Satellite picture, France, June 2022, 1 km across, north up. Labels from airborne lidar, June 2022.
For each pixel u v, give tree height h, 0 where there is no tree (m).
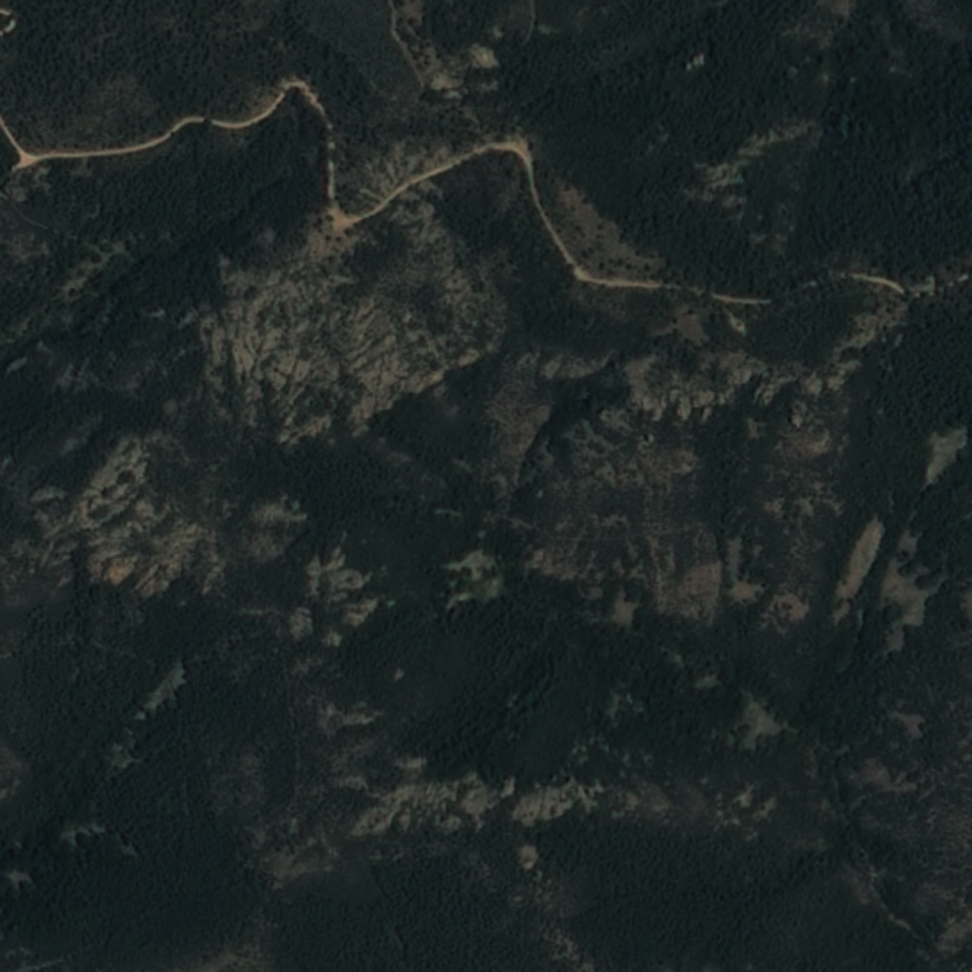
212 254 16
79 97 9
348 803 9
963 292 9
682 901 15
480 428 7
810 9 12
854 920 7
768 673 10
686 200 14
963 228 16
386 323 0
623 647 11
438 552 6
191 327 11
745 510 7
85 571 12
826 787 8
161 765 13
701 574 0
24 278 9
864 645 11
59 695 13
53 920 11
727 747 7
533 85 14
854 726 10
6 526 7
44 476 8
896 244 15
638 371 0
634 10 12
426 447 10
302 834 8
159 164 10
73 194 11
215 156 7
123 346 12
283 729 9
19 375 11
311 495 14
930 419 5
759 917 15
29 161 0
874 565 8
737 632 7
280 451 10
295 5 9
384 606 8
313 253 0
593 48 11
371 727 10
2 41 10
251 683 9
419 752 11
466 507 13
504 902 11
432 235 0
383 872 13
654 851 13
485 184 13
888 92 10
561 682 13
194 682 14
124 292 15
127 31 9
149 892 12
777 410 8
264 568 7
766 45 16
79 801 8
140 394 8
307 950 15
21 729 12
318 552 10
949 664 7
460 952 12
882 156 18
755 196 17
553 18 6
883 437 12
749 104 21
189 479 6
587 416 7
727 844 12
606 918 13
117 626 10
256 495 9
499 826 11
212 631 12
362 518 8
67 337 12
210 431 7
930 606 8
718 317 12
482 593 0
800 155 9
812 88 6
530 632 12
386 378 0
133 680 14
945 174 19
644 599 6
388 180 0
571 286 6
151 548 8
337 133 12
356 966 15
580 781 10
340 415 15
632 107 8
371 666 8
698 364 9
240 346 0
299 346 0
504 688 11
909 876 7
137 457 0
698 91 14
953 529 9
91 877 12
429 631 14
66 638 15
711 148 16
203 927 14
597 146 7
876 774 0
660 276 7
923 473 7
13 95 9
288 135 13
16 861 12
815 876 15
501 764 6
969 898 10
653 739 6
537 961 8
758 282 11
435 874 12
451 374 9
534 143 8
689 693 6
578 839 9
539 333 6
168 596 11
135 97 6
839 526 6
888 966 9
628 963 12
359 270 7
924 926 7
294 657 10
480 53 0
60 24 9
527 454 8
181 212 13
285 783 8
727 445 9
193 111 7
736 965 7
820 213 11
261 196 13
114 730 10
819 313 8
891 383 12
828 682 9
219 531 6
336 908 11
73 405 10
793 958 9
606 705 6
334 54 11
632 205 6
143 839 13
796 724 8
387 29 6
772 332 6
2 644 7
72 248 12
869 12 16
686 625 5
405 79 6
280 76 10
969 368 15
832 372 7
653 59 7
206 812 9
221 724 9
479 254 11
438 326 7
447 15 10
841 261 8
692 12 15
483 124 10
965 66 8
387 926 13
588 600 9
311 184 11
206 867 15
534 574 10
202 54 7
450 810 9
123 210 13
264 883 9
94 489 0
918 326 14
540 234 6
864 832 9
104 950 10
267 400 7
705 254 15
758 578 6
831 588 7
